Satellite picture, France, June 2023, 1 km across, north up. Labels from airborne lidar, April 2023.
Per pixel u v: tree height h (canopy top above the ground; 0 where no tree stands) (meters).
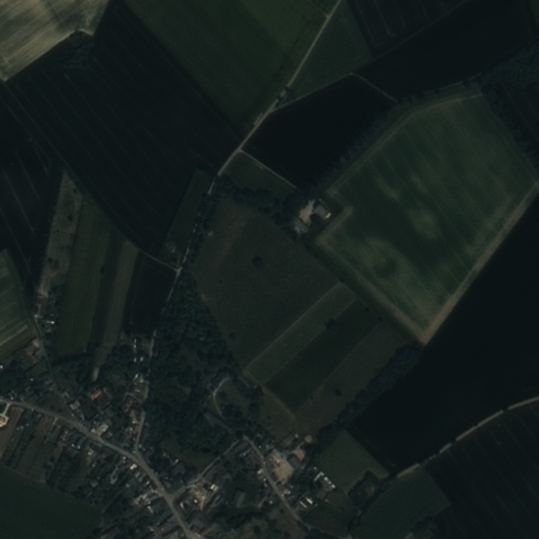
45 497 0
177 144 0
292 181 0
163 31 0
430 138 0
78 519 0
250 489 0
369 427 0
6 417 0
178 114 0
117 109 0
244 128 0
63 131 0
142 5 0
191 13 0
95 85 0
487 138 0
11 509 0
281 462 0
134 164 0
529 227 0
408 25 0
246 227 0
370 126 18
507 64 16
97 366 0
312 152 0
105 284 0
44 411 0
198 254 12
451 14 0
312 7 0
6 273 0
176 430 21
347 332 0
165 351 18
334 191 0
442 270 0
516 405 0
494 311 0
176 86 0
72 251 0
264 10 0
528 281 0
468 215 0
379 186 0
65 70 0
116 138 0
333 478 0
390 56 0
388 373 20
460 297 0
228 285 0
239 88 0
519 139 21
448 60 0
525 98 0
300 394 0
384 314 0
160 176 0
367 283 0
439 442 0
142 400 0
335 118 0
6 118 0
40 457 0
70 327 0
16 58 0
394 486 0
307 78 0
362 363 0
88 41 13
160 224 0
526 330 0
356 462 0
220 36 0
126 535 14
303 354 0
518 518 0
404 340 0
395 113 0
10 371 8
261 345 0
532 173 0
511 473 0
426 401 0
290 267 0
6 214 0
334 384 0
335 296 0
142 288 0
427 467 0
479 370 0
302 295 0
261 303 0
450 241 0
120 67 0
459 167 0
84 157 0
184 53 0
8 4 0
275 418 0
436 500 0
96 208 0
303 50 0
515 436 0
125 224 0
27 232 0
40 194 0
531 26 0
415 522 0
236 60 0
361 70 0
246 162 0
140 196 0
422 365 0
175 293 10
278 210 12
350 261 0
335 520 0
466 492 0
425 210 0
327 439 16
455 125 0
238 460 9
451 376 0
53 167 0
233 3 0
